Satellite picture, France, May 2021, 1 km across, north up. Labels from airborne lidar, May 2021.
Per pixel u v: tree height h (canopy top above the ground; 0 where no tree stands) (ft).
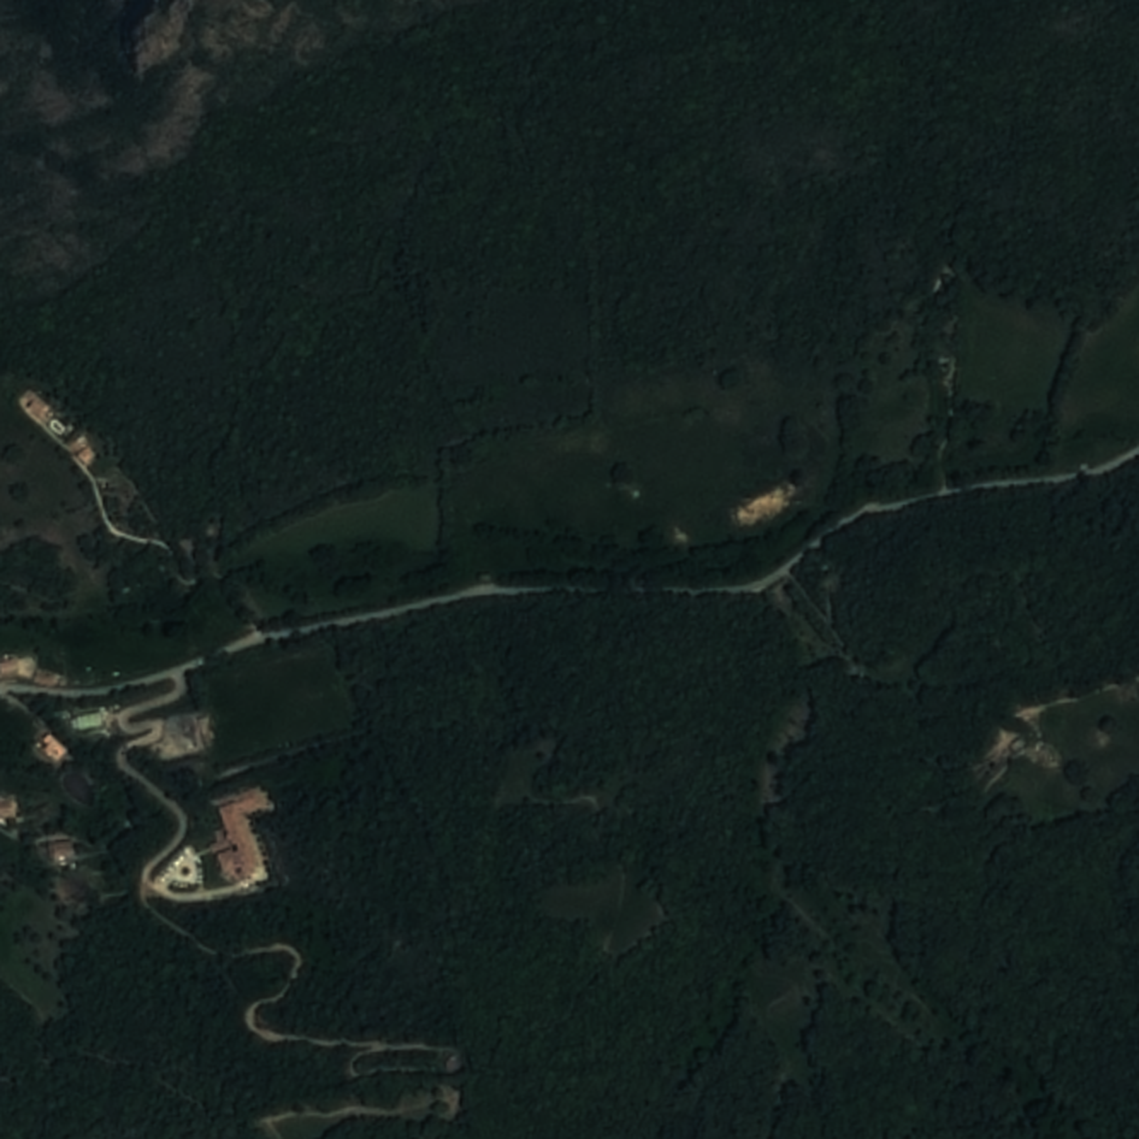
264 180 22
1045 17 24
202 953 31
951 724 61
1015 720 38
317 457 26
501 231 21
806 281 21
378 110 23
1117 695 0
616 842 39
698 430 0
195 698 31
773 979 0
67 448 31
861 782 36
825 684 56
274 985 31
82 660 0
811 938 59
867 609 23
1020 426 19
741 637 39
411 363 22
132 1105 25
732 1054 49
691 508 0
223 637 0
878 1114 35
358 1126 48
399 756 36
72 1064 37
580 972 34
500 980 31
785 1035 0
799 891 54
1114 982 48
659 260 30
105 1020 26
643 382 0
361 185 21
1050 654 26
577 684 32
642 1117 44
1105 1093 25
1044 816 0
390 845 19
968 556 28
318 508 36
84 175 19
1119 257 26
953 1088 48
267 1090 19
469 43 30
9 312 34
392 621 19
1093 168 18
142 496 20
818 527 40
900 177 32
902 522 26
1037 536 38
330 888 29
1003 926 46
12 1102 31
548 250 23
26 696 21
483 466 0
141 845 59
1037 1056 56
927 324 31
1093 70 29
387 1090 36
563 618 38
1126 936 54
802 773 40
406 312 31
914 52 30
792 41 21
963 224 40
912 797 42
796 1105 66
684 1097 53
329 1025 27
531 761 0
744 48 23
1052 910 32
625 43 23
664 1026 44
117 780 40
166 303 24
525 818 32
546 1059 24
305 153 23
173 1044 27
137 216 25
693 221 21
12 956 0
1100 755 0
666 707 21
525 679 29
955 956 44
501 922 34
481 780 28
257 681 0
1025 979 52
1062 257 25
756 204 19
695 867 39
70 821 47
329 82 28
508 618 23
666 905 28
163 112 0
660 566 56
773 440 0
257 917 30
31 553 36
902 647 46
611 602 40
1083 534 24
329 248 28
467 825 31
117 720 0
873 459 29
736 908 44
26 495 35
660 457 0
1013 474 29
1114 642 24
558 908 0
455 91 41
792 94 31
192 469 34
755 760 35
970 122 25
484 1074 41
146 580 28
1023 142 22
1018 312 0
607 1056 36
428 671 34
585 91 23
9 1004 35
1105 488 31
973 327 0
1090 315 35
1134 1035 25
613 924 0
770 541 50
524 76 31
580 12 36
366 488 52
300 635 39
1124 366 0
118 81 27
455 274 24
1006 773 0
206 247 28
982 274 59
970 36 28
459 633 31
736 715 30
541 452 0
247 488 30
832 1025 53
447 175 26
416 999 24
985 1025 50
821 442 0
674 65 22
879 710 50
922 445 42
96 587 0
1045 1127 81
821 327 22
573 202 25
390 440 31
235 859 0
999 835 54
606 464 0
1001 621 26
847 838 33
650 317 22
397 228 24
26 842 35
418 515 0
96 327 24
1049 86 23
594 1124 38
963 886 51
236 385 29
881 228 20
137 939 23
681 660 25
